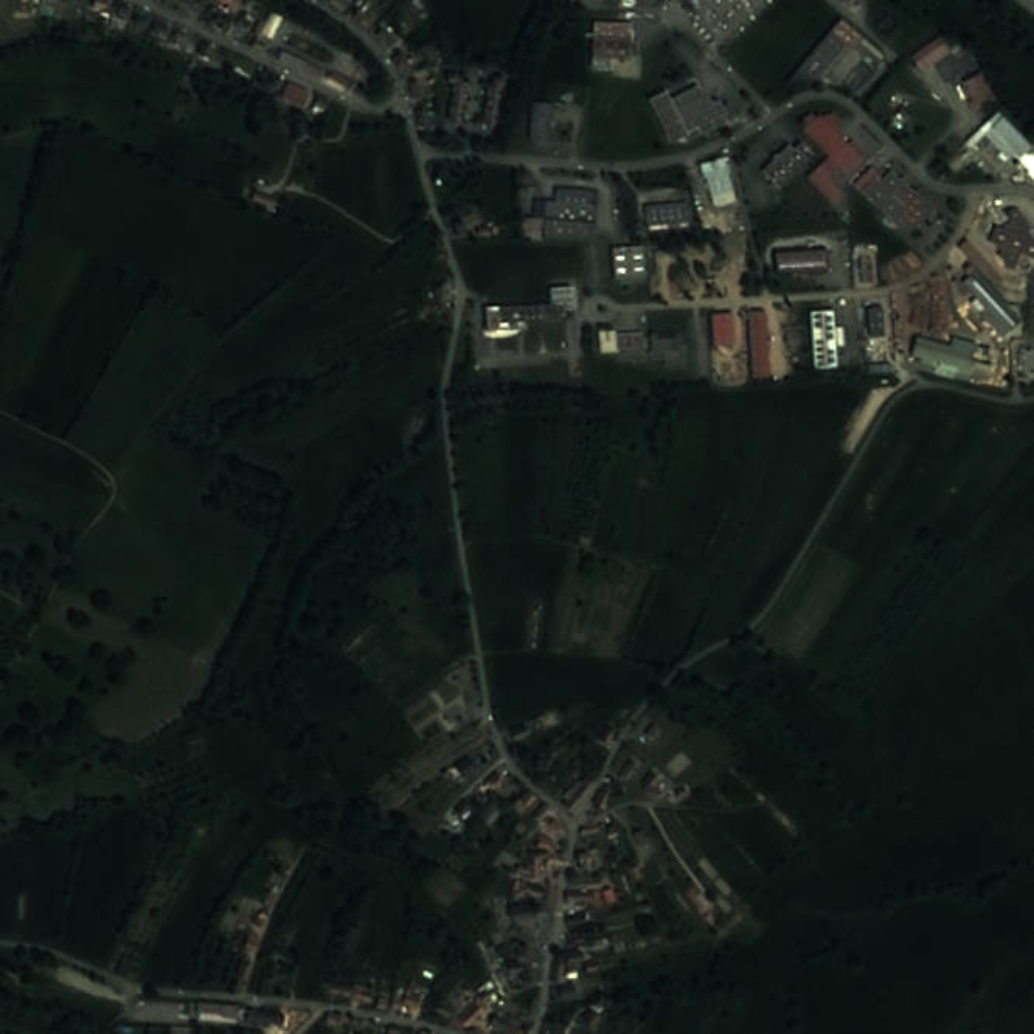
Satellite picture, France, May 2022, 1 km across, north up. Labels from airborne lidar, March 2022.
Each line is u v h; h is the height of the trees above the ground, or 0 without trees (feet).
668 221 0
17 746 61
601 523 0
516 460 0
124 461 0
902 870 0
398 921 0
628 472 0
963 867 0
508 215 0
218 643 0
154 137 0
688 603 0
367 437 0
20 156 0
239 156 37
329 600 0
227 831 0
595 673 0
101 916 0
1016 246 0
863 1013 0
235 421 49
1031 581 0
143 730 0
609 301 0
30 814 0
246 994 0
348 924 45
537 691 0
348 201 0
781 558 0
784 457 0
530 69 58
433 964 0
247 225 0
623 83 0
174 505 0
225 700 50
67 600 0
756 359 0
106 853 0
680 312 0
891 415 0
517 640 0
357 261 0
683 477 0
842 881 0
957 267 0
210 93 61
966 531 0
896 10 20
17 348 0
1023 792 0
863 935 0
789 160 0
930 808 0
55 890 0
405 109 0
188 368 0
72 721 57
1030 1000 0
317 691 0
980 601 0
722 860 0
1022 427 0
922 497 0
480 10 0
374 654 0
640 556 0
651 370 0
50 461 0
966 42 49
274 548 40
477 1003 0
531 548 0
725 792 24
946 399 0
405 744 0
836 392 0
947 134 0
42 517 0
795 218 0
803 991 0
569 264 0
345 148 0
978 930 0
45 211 0
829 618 0
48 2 0
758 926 0
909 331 0
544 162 0
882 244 0
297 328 0
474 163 34
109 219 0
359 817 78
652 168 0
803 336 0
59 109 0
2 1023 0
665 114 0
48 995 0
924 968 0
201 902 0
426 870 62
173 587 0
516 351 0
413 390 0
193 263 0
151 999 52
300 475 0
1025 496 0
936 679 0
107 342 0
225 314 0
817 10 0
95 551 0
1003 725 0
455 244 0
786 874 0
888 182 0
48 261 0
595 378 0
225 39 0
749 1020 0
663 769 0
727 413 0
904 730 0
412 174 0
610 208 0
